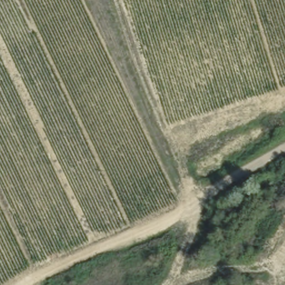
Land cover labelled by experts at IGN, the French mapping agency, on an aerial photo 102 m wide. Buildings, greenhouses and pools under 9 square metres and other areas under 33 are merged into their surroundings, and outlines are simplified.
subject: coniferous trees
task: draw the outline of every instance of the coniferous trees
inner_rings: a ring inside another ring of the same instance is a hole
[[[208,266],[216,266],[216,272],[210,277],[186,285],[257,285],[254,282],[256,279],[267,282],[271,275],[267,272],[246,273],[234,266],[256,262],[256,256],[263,252],[265,240],[273,237],[285,215],[285,160],[277,173],[271,170],[253,176],[247,179],[243,187],[236,187],[227,197],[218,200],[214,199],[214,195],[204,197],[200,202],[202,212],[195,234],[193,243],[188,243],[185,247],[178,246],[176,249],[184,256],[184,265],[180,272],[186,274],[191,269]]]

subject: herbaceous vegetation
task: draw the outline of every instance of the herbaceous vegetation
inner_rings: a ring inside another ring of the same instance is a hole
[[[255,138],[262,134],[262,130],[257,128],[242,135],[237,126],[256,119],[262,112],[285,111],[285,86],[169,124],[160,105],[156,85],[150,79],[146,58],[141,53],[140,41],[134,31],[136,27],[124,0],[81,0],[112,67],[119,69],[125,77],[130,94],[136,102],[174,187],[181,183],[181,179],[190,177],[187,161],[194,163],[197,174],[207,175],[210,185],[214,186],[220,179],[228,176],[222,165],[223,161],[224,157],[242,149],[247,142],[254,142]]]
[[[234,266],[246,273],[267,272],[271,275],[267,282],[256,279],[254,282],[257,285],[285,285],[285,215],[273,237],[265,240],[263,252],[256,256],[256,262]]]
[[[185,247],[188,243],[193,243],[195,234],[187,232],[186,223],[177,222],[163,232],[140,242],[83,259],[33,285],[186,285],[210,277],[216,272],[216,266],[208,266],[191,269],[186,274],[180,272],[184,265],[184,256],[176,249],[178,246]]]

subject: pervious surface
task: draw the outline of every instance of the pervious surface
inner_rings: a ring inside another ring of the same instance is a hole
[[[2,285],[33,285],[83,259],[140,242],[163,232],[177,222],[186,223],[187,232],[195,234],[202,212],[200,202],[204,197],[214,195],[214,199],[218,200],[227,197],[236,187],[243,187],[247,179],[253,176],[250,171],[265,166],[274,154],[285,151],[285,142],[249,161],[242,168],[227,160],[223,161],[222,165],[228,176],[220,179],[214,186],[210,185],[196,185],[190,177],[181,179],[181,183],[184,188],[180,190],[177,197],[178,206],[173,212],[154,220],[147,220],[144,217],[141,219],[144,225],[131,228],[125,233],[79,250],[58,261],[55,255],[51,254],[45,261],[33,263],[26,271],[10,278]]]

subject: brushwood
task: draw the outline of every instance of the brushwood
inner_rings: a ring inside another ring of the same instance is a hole
[[[207,175],[197,174],[194,163],[187,161],[190,177],[196,185],[210,185]]]
[[[262,134],[255,138],[254,142],[247,142],[242,149],[224,157],[223,161],[227,160],[242,168],[249,161],[285,142],[285,111],[262,112],[256,119],[237,126],[242,135],[257,128],[262,130]]]

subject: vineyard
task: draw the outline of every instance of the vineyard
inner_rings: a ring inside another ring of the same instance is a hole
[[[169,124],[285,86],[285,0],[124,0],[136,27],[134,31],[140,41],[141,53],[146,58],[150,79],[156,85],[160,105]]]
[[[271,170],[277,173],[285,160],[285,151],[274,154],[265,166],[250,171],[253,176]]]
[[[10,278],[26,271],[33,263],[45,261],[51,254],[55,255],[58,261],[79,250],[125,233],[131,228],[144,225],[141,219],[144,217],[147,220],[154,220],[173,212],[178,206],[177,197],[180,190],[184,188],[181,183],[174,187],[136,102],[130,94],[125,77],[119,69],[112,67],[81,0],[0,0],[0,285],[2,285]]]

